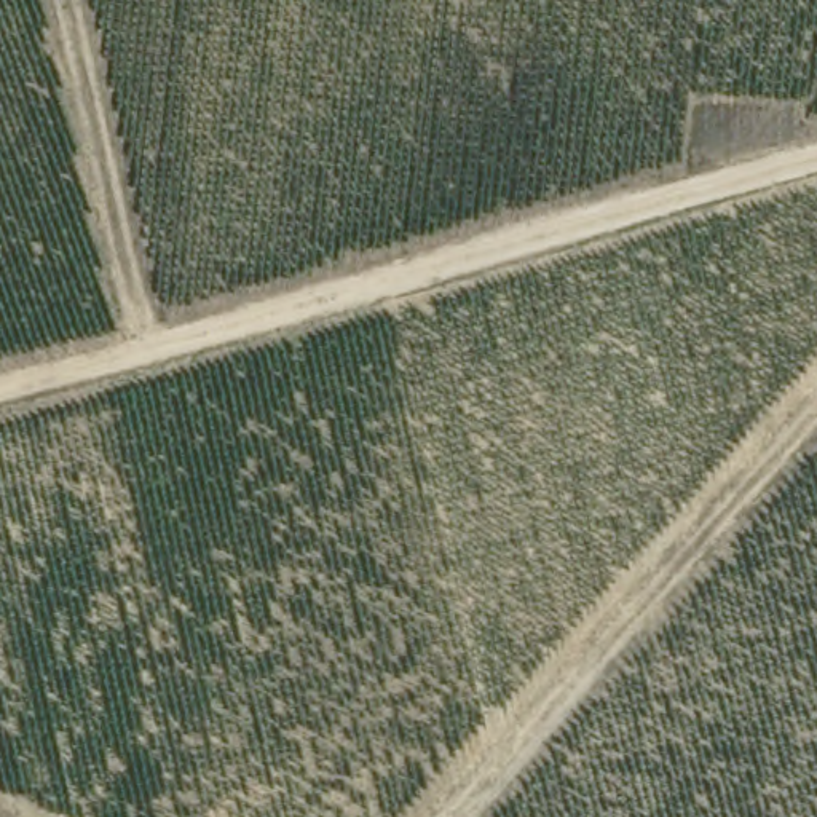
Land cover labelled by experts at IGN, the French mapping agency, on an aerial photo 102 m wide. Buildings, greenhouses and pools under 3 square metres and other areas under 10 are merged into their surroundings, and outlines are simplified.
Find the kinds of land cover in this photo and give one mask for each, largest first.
<instances>
[{"label":"vineyard","instance_id":"1","mask_svg":"<svg viewBox=\"0 0 817 817\"><path fill-rule=\"evenodd\" d=\"M48 16L41 0H0V373L26 364H45L67 354L96 351L105 345L102 335L112 332L115 319L99 284L102 255L86 223L89 201L73 163L77 140L61 105V73L51 54H45ZM93 13V29L99 32V54L105 61V86L112 93L109 109L118 121L115 137L121 144L134 249L150 262L147 287L160 326H185L195 319L239 310L243 303L297 290L303 284L361 274L399 259L424 255L437 246L463 243L491 233L504 223H517L533 204L539 211H562L600 201L616 191L654 188L712 169H724L731 163H747L769 150L817 144V0H86ZM817 354V172L740 195L712 198L705 204H693L664 217H648L610 233H594L479 271L440 278L402 294H386L373 300L364 316H354L348 322L326 326L306 335L278 338L259 348H239L217 361L191 364L147 380H128L86 399L48 405L32 415L0 421V791L22 795L35 801L41 811H54L64 817H399L424 791L431 779H437L440 766L453 763L463 740H469L479 731L482 712L491 705H504L533 677L549 648L558 645L578 626L584 610H590L597 597L610 587L613 574L619 568H629V562L673 517H680V507L699 491L705 476L731 456L744 434L756 424V418L779 399V393L788 383H795L807 370V361ZM769 498L756 501L750 511L740 514L734 558L718 562L702 581H696L693 590L670 606L667 626H661L657 632L635 635L632 645L606 664L603 677L590 686L587 699L546 740L543 753L517 776L504 801H498L485 817H817V434L804 440L801 460H795L791 469L776 476V482L766 491Z\"/></svg>","mask_w":817,"mask_h":817},{"label":"herbaceous vegetation","instance_id":"2","mask_svg":"<svg viewBox=\"0 0 817 817\"><path fill-rule=\"evenodd\" d=\"M48 16L45 54H51L61 73V105L77 140L73 163L89 201L86 223L102 255L99 284L115 319L112 332L118 341H137L160 326L147 287L150 262L134 249L121 144L115 137L118 121L109 109L112 93L105 86V61L99 54V32L93 29V13L86 0H41ZM354 316L335 313L265 335L211 345L191 354H176L124 373L77 380L0 402V421L32 415L48 405L86 399L128 380H147L191 364L217 361L239 348H259L278 338L306 335L326 326L348 322ZM817 434V354L807 361V370L795 383H788L779 393V399L756 418V424L744 434L731 456L705 476L699 491L680 507V517H673L629 562V568H619L613 574L610 587L597 597L590 610H584L578 626L558 645L549 648L533 677L504 705H491L482 712L479 731L469 740H463L453 763L440 766L437 779H431L424 791L399 817H485L498 801H504L517 776L543 753L546 740L587 699L590 686L603 677L606 664L632 645L635 635L657 632L661 626H667L670 606L693 590L696 581H702L718 562L734 558L740 514L750 511L756 501L769 498L766 491L776 482V476L791 469L795 460H801L804 440ZM0 817H64L54 811H41L35 801L22 795L0 791Z\"/></svg>","mask_w":817,"mask_h":817},{"label":"pervious surface","instance_id":"3","mask_svg":"<svg viewBox=\"0 0 817 817\"><path fill-rule=\"evenodd\" d=\"M817 172V144L769 150L747 163H731L724 169H712L654 188L616 191L600 201L562 211H539L533 204L517 223H504L491 233L463 243L437 246L424 255L399 259L361 274L303 284L297 290L243 303L239 310L195 319L185 326H160L137 341H118L112 332L102 335L105 345L96 351L67 354L45 364H26L0 373V402L77 380L124 373L176 354H191L211 345L265 335L335 313L354 316H364L373 300L386 294H402L440 278L479 271L594 233H610L648 217H664L693 204H705L712 198L740 195Z\"/></svg>","mask_w":817,"mask_h":817}]
</instances>
